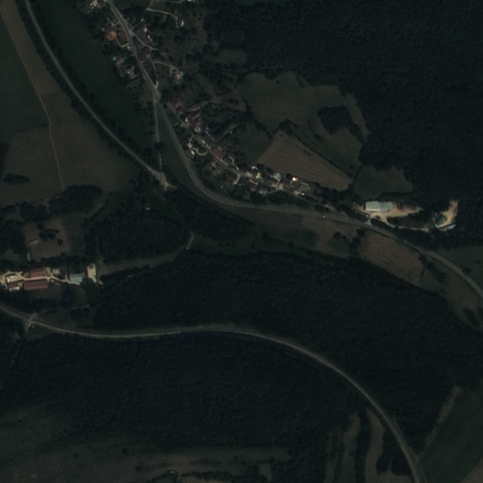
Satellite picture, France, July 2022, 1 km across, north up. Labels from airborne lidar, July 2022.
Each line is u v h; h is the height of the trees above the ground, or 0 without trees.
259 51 18
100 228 20
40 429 0
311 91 0
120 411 14
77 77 11
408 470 13
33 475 0
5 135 0
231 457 0
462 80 13
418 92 15
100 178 0
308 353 0
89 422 7
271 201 9
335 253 0
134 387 22
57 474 0
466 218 12
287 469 12
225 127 12
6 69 0
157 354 20
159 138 0
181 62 10
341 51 18
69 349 17
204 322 14
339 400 26
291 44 16
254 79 0
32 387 19
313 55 20
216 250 0
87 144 0
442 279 19
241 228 22
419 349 22
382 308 22
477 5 21
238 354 24
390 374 14
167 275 21
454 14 20
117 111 0
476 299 0
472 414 0
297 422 17
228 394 21
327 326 21
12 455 0
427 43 12
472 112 21
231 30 15
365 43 12
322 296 18
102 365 18
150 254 13
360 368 24
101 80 0
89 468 0
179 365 21
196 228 21
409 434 9
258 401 22
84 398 15
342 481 0
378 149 13
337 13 16
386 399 12
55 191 0
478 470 0
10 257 0
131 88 6
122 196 0
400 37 10
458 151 17
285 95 0
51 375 18
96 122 7
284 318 15
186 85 9
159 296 16
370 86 18
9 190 0
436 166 14
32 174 0
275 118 0
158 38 6
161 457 0
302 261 27
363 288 25
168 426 18
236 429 22
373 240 0
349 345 23
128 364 25
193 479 0
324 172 0
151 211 17
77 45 0
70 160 0
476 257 0
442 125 18
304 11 20
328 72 21
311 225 0
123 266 0
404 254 0
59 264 14
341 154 0
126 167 0
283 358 24
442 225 0
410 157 17
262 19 16
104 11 6
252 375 18
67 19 0
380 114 18
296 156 0
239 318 18
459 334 24
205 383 21
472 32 13
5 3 0
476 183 16
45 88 0
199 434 19
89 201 16
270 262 25
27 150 0
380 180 0
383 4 17
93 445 0
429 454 0
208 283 18
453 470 0
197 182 0
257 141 0
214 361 25
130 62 9
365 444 17
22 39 0
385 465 16
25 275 0
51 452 0
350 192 14
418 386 17
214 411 26
